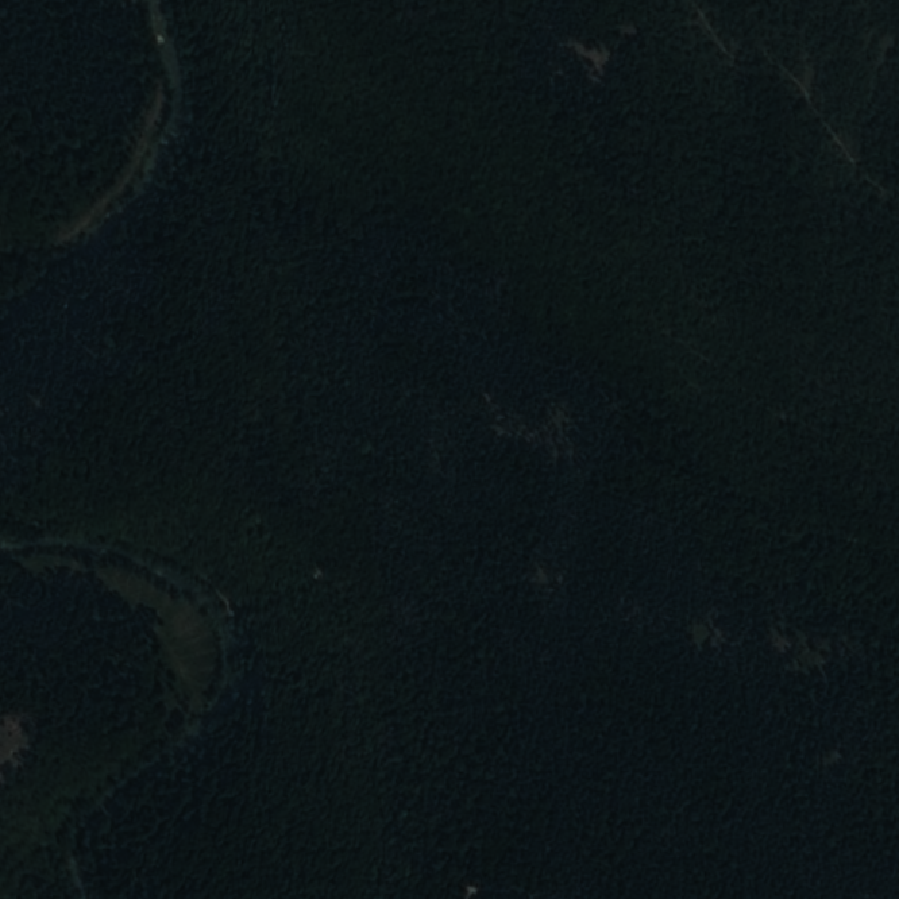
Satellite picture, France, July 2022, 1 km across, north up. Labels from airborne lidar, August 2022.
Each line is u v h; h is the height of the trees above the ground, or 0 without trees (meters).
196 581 17
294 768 23
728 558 13
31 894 33
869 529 17
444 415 18
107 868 27
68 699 21
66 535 20
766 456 11
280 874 26
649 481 11
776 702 23
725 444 9
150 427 22
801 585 14
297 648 16
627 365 13
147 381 20
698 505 12
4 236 11
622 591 15
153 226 18
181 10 23
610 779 23
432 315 31
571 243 12
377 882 16
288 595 14
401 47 16
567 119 15
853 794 20
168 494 11
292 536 12
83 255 25
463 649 19
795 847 19
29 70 24
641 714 17
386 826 13
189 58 20
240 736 33
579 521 20
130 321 23
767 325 12
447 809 19
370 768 12
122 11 27
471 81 13
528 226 15
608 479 18
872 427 14
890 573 15
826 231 18
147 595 0
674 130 11
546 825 21
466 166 11
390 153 16
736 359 13
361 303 21
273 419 18
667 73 16
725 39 8
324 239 19
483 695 18
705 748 19
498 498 20
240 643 21
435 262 20
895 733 10
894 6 13
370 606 13
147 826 31
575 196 13
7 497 17
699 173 15
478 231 12
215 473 14
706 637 0
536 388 31
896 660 19
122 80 29
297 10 13
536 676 18
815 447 13
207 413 21
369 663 14
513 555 14
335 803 20
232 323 18
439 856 20
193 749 17
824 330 13
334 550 13
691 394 10
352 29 18
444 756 19
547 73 15
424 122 13
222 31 12
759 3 8
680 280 10
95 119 16
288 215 26
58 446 19
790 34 9
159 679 13
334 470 14
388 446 13
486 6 14
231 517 18
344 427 15
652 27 12
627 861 22
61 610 25
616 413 19
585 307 13
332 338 17
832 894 26
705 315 9
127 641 25
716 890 17
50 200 11
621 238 11
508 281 14
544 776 18
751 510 12
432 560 15
